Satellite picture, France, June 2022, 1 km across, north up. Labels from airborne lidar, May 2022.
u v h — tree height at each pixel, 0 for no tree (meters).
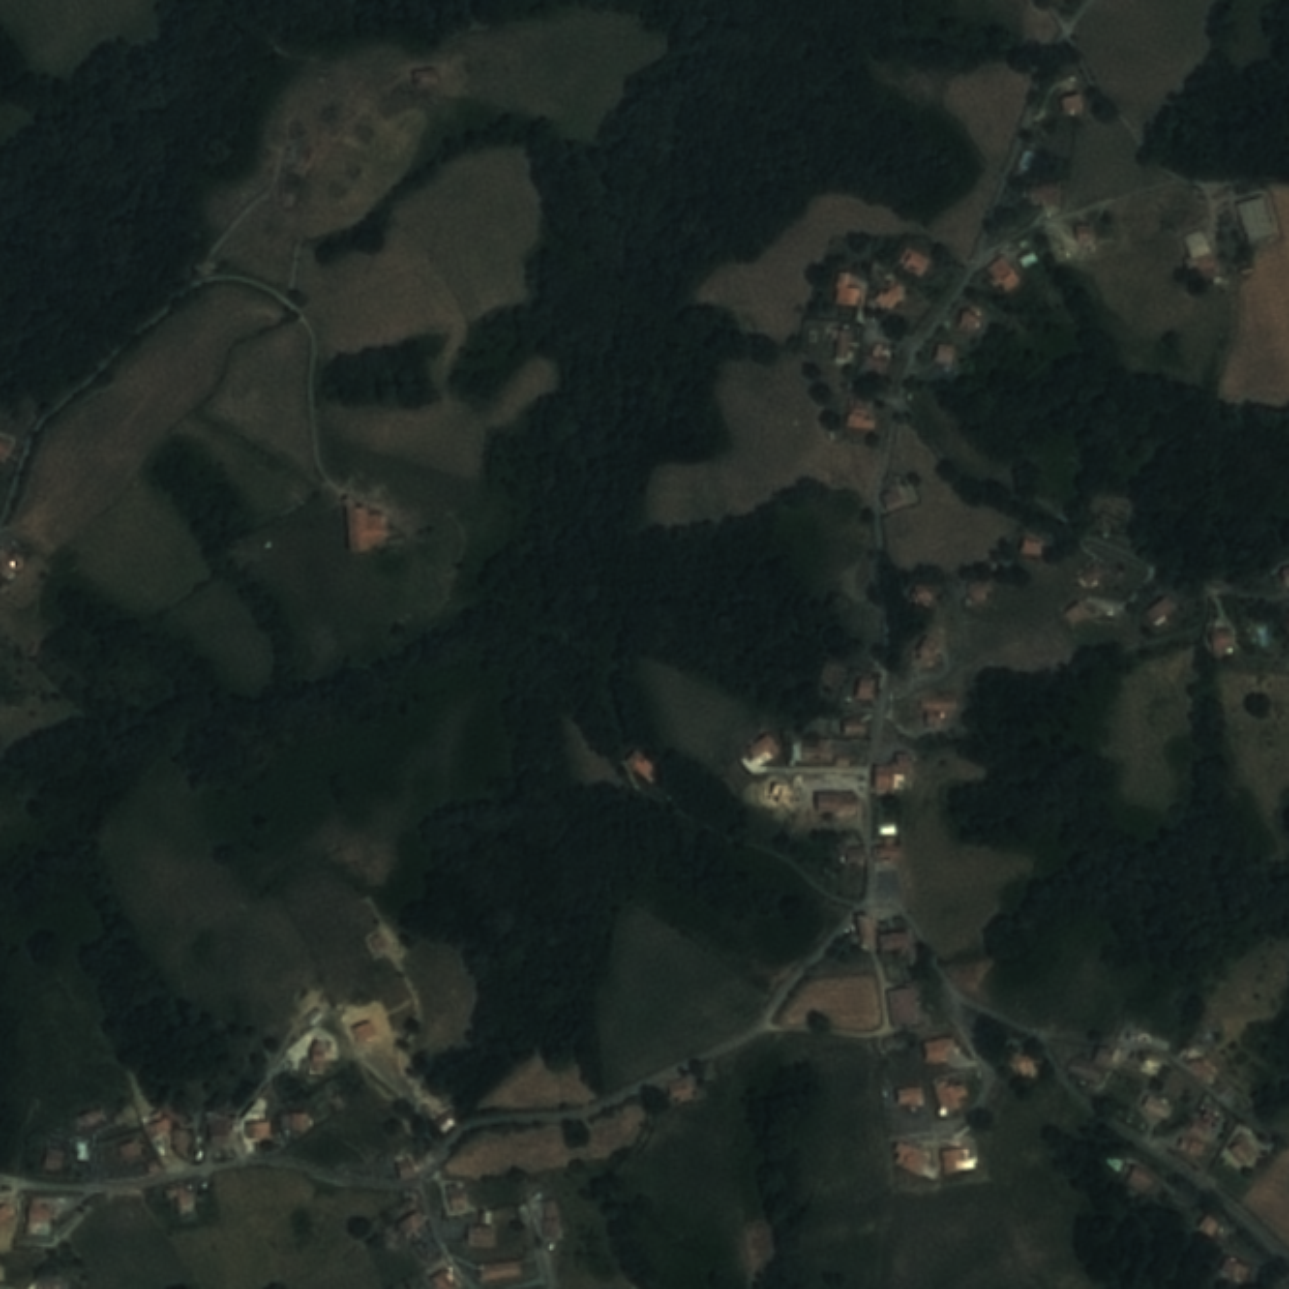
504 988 12
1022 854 0
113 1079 0
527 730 20
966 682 0
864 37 17
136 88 28
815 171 9
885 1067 0
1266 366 0
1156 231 0
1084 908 25
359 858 0
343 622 0
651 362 17
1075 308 16
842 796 0
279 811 0
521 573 21
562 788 20
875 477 0
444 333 0
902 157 24
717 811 15
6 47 19
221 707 27
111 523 0
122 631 20
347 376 19
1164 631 0
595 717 22
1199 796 14
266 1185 0
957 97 0
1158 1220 18
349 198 0
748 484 0
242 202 0
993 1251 0
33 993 0
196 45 23
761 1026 0
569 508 16
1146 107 0
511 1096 0
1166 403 24
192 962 0
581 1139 8
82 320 14
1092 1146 14
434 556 0
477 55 0
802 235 0
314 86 0
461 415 0
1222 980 0
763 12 28
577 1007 10
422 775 0
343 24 14
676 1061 0
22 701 0
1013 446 13
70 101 12
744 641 19
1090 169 0
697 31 20
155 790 0
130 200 20
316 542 0
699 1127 0
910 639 8
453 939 22
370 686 21
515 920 19
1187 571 19
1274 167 18
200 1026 20
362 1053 0
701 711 0
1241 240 7
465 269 0
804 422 0
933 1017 0
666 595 13
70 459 0
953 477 14
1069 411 16
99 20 0
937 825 0
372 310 0
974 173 0
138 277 15
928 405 0
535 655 18
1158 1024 0
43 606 0
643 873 15
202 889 0
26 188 26
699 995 0
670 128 21
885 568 11
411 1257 0
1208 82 24
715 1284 10
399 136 0
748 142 23
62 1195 0
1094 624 0
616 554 24
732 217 21
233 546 11
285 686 11
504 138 14
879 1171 0
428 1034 0
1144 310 0
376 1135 0
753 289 0
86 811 8
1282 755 0
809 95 21
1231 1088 0
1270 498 19
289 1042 0
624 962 0
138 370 0
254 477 0
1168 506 23
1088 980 0
